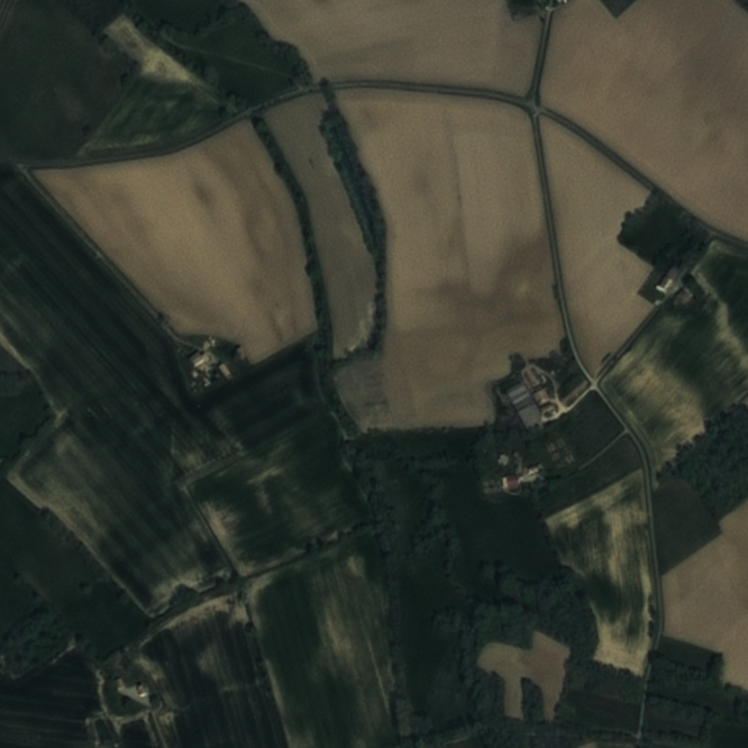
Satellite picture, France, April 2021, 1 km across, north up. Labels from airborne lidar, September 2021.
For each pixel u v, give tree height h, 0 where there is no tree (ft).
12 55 0
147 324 0
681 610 0
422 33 0
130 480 0
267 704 0
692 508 0
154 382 0
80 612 0
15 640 50
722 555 0
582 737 46
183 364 0
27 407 0
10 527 0
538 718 64
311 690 0
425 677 0
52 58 0
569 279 0
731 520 0
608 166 0
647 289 0
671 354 0
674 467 36
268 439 0
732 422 58
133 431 0
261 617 0
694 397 0
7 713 0
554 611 56
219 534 0
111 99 0
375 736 0
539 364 0
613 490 0
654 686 28
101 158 0
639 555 0
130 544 0
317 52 0
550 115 0
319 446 0
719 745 0
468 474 0
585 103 0
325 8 0
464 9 0
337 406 23
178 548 0
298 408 0
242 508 0
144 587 0
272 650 0
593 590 0
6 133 0
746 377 0
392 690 0
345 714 0
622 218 0
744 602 0
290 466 0
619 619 0
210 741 0
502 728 51
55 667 0
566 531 0
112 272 0
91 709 0
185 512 0
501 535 0
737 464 82
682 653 0
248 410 0
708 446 59
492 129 0
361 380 0
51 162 0
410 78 0
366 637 0
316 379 0
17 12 0
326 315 33
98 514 0
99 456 0
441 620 37
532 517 0
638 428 0
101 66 0
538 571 0
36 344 0
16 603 0
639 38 0
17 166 0
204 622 0
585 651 61
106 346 0
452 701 0
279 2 0
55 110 0
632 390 0
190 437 0
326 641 0
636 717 0
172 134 0
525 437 47
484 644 46
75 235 0
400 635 27
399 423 0
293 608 0
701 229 39
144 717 0
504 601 0
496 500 0
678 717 47
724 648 0
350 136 55
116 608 0
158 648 0
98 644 0
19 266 0
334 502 0
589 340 0
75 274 0
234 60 0
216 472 0
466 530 0
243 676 0
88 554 47
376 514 50
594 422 0
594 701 0
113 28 0
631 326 0
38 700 0
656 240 0
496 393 0
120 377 0
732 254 0
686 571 0
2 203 0
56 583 0
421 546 24
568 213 0
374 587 0
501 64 0
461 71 0
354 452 64
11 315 0
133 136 0
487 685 55
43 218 0
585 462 0
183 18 0
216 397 0
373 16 0
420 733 64
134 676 0
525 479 0
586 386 0
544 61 0
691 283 47
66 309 0
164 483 0
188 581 0
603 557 0
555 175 0
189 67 52
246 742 0
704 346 0
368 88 0
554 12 0
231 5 44
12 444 0
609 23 0
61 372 0
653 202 40
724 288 0
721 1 0
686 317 0
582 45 0
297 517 0
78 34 0
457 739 84
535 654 0
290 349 0
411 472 76
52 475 0
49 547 0
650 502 0
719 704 0
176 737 0
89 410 0
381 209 49
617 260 0
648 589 0
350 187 43
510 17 0
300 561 0
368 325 0
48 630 59
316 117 0
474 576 0
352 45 0
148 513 0
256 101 0
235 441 0
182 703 0
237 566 0
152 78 0
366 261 0
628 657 0
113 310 0
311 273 46
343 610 0
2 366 0
